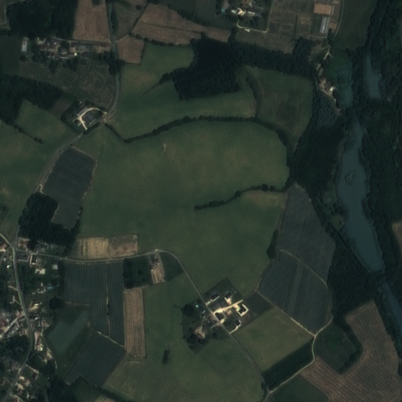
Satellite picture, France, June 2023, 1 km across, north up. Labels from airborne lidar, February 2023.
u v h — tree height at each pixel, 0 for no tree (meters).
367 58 0
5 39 0
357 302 11
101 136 0
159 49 0
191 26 0
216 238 0
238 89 20
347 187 0
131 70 0
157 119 0
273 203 0
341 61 0
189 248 0
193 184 0
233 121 12
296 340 0
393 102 10
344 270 13
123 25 0
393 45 0
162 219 0
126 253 0
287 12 0
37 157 0
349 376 0
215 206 12
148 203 0
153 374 0
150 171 0
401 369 14
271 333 0
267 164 0
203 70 27
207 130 0
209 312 0
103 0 0
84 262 0
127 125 0
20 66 0
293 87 0
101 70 0
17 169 0
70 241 11
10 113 17
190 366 0
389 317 19
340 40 0
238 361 0
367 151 20
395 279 29
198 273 0
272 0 0
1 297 11
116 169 0
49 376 12
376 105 19
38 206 18
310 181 7
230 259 0
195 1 0
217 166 0
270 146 0
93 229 0
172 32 0
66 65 9
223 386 0
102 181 0
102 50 0
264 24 0
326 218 16
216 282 0
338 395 0
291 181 14
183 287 0
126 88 0
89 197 0
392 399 0
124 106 0
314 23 0
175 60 0
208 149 0
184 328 0
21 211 0
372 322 0
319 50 0
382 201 8
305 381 0
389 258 26
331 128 18
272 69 36
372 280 27
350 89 0
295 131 0
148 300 0
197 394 0
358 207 0
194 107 0
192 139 0
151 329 0
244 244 0
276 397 0
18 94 22
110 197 0
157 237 0
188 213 0
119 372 0
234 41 11
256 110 0
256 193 0
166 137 0
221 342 0
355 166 0
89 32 0
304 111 0
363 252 0
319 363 0
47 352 0
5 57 0
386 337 0
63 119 11
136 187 0
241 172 0
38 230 13
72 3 19
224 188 0
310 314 0
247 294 0
